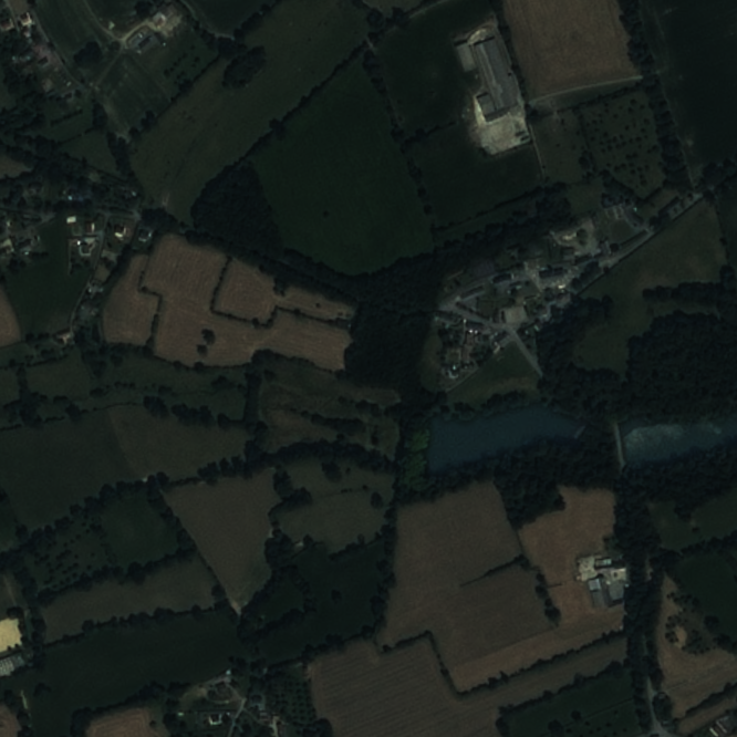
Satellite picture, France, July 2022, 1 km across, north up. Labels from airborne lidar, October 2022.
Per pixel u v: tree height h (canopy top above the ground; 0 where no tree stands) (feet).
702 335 100
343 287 56
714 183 55
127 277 0
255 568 0
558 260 0
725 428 0
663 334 80
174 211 0
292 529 0
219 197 56
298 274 57
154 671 0
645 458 0
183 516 0
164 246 0
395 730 0
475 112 0
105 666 0
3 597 0
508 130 0
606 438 69
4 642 0
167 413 83
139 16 45
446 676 41
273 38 0
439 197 0
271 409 0
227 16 0
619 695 0
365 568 0
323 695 0
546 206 77
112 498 77
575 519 0
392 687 0
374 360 50
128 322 0
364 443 0
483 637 0
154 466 0
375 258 0
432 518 0
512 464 95
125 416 0
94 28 0
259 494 0
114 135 32
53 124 29
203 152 0
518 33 0
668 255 0
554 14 0
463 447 0
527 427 0
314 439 0
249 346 0
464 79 0
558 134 0
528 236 78
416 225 0
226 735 0
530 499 47
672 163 84
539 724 0
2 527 0
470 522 0
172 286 0
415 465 99
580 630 0
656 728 0
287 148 0
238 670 41
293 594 0
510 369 0
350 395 0
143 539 0
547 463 58
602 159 0
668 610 0
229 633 0
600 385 87
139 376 0
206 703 32
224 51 80
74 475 0
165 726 37
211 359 0
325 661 0
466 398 0
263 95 0
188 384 0
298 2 0
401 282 69
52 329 0
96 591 0
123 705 27
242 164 31
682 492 63
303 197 0
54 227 0
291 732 0
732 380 73
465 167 0
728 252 22
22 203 61
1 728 0
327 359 0
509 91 0
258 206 59
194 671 0
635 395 77
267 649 0
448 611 0
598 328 0
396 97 0
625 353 0
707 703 29
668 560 66
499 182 0
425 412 55
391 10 0
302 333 0
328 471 73
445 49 0
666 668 0
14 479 0
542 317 0
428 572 0
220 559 0
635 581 67
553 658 23
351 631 0
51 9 0
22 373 42
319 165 0
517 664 0
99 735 0
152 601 0
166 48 0
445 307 0
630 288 0
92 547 0
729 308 100
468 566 0
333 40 0
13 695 35
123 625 58
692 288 55
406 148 50
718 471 52
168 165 0
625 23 66
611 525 0
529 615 0
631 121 0
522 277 0
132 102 0
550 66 0
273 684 18
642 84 21
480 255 45
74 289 0
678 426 0
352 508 0
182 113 0
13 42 24
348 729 0
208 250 0
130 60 0
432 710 0
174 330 0
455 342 28
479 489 0
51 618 0
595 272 56
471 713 0
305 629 0
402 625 0
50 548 24
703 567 0
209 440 0
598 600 0
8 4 0
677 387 49
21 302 0
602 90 0
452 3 0
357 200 0
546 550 0
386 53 0
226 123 0
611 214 0
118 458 0
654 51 0
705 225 0
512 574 0
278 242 59
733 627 0
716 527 0
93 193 39
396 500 41
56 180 42
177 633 0
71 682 0
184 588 0
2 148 67
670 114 70
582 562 0
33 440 0
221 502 0
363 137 0
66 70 0
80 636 32
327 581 0
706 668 0
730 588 0
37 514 0
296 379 0
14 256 30
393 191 0
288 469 0
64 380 0
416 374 36
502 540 0
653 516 62
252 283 0
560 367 86
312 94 27
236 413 0
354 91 0
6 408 27
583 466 77
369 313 58
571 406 82
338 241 0
